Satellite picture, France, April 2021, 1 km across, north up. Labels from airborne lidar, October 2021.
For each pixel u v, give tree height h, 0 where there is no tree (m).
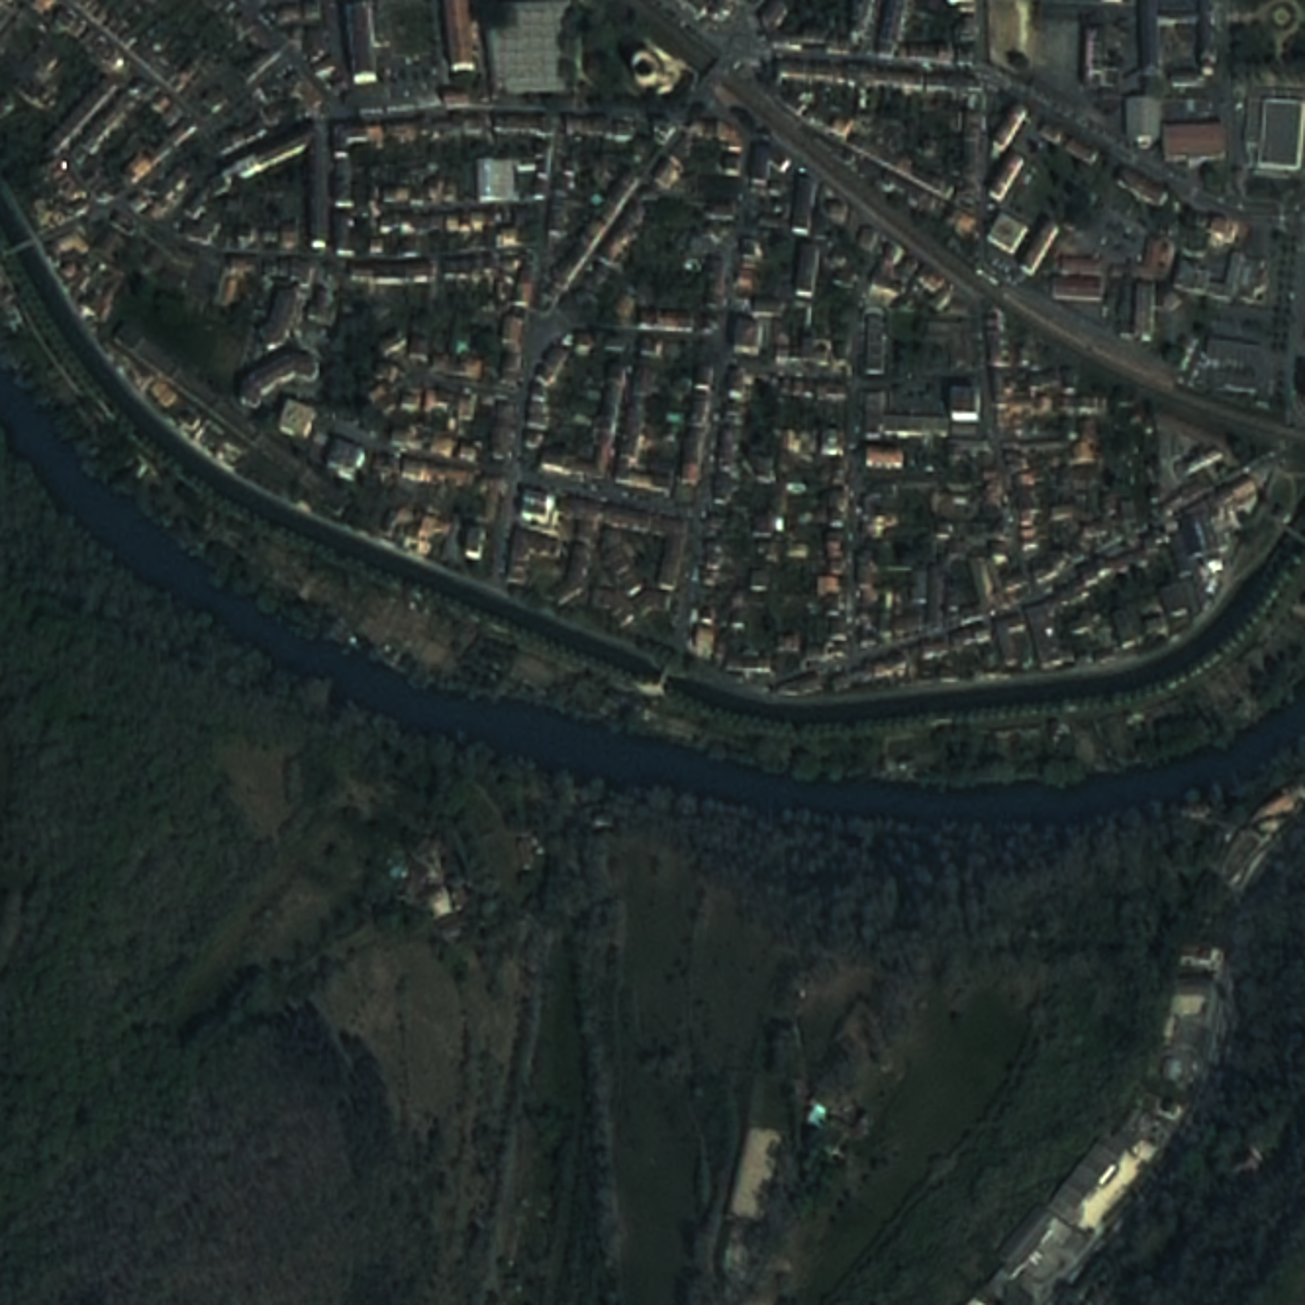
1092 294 0
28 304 12
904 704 0
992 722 10
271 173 7
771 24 0
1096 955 16
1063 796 0
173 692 22
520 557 0
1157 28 0
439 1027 0
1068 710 9
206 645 23
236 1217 12
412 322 8
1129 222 0
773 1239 19
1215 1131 13
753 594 7
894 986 22
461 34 0
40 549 8
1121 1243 15
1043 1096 15
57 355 9
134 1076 21
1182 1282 22
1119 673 0
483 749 27
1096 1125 19
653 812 28
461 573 9
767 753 22
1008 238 0
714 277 0
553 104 13
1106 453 6
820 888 11
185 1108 16
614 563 0
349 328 17
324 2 8
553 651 8
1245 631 7
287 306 0
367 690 0
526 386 0
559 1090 0
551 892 10
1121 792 0
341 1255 24
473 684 7
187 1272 18
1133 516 0
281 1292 20
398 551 0
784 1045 16
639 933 0
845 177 0
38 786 14
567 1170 8
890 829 13
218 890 16
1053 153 8
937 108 8
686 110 10
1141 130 0
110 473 13
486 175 0
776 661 5
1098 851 22
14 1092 20
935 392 7
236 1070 24
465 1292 8
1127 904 8
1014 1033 0
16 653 21
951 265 0
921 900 22
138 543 0
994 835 8
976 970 23
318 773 7
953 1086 0
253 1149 17
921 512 6
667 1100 0
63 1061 26
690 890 0
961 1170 6
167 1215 16
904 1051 18
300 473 0
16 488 12
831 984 17
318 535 0
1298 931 19
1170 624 8
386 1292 16
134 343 0
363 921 12
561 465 0
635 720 18
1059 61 0
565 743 0
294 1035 18
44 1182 28
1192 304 0
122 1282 15
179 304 7
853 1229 0
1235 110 0
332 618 8
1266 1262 18
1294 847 21
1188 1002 0
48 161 0
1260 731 0
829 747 6
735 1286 17
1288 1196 16
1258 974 17
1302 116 0
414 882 0
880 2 0
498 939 7
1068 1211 0
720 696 0
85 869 25
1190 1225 18
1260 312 0
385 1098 16
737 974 0
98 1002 27
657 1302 0
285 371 0
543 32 0
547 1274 22
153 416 0
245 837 16
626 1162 0
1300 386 8
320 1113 17
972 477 10
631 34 25
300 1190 20
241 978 0
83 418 6
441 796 15
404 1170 20
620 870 11
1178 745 14
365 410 17
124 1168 17
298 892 0
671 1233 0
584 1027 14
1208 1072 0
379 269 0
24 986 17
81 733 21
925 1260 10
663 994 0
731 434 0
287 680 16
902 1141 0
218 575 10
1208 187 11
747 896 16
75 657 26
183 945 14
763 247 6
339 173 0
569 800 26
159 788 21
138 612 16
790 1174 21
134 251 17
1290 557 9
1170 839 15
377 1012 0
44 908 14
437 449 0
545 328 0
